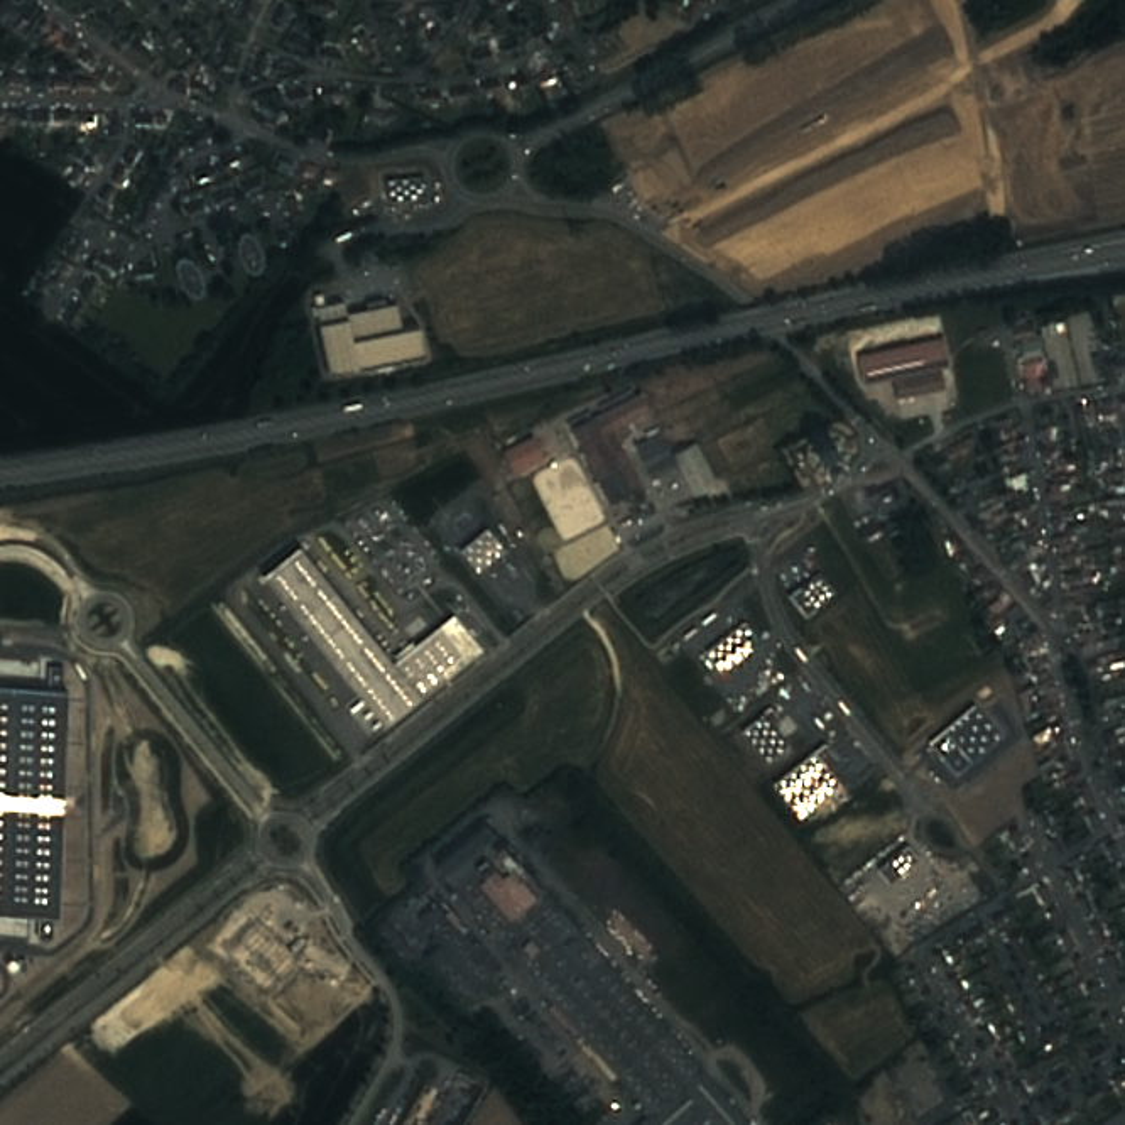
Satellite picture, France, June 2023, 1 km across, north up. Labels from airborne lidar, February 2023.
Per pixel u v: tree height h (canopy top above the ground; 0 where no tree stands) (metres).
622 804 0
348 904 0
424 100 0
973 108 0
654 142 0
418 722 0
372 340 0
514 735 0
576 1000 0
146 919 0
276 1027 0
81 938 0
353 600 0
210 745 0
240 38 0
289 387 0
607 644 0
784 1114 0
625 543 0
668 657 0
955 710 0
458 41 0
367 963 0
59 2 0
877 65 0
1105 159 0
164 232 0
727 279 0
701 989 0
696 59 0
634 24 0
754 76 0
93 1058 0
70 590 0
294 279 0
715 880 0
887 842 0
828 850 0
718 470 0
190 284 0
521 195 0
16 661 0
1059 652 0
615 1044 0
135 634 0
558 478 0
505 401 0
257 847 0
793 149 0
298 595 0
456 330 0
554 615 0
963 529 0
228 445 0
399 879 0
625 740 0
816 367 0
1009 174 0
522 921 0
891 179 0
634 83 0
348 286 0
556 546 0
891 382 0
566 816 0
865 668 0
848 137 0
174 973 0
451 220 0
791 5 0
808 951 0
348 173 0
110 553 0
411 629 0
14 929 0
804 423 0
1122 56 0
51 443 0
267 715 0
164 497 0
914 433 0
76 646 0
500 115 12
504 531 0
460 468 0
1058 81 0
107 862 0
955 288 0
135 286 8
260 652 0
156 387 8
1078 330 0
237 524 0
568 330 0
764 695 0
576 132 0
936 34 0
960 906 0
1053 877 0
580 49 0
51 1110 0
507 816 0
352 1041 0
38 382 0
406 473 0
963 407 0
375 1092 0
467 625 0
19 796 0
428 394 0
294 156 0
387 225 0
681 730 0
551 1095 7
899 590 0
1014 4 0
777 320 0
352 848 0
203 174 0
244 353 0
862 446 0
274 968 0
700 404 0
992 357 0
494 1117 0
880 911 0
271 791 0
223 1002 0
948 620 0
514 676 0
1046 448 0
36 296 10
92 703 0
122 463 0
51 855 0
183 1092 0
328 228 14
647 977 0
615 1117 0
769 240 0
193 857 0
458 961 0
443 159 0
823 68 0
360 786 0
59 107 0
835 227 0
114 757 0
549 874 0
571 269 0
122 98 0
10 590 0
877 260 0
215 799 0
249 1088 0
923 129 0
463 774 0
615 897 0
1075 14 0
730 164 0
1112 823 0
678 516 0
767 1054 0
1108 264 0
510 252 0
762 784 0
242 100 0
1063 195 0
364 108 6
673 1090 0
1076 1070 0
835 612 0
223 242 10
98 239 0
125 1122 0
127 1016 0
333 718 0
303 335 12
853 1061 0
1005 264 0
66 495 0
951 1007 0
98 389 0
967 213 0
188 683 0
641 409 0
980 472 15
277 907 0
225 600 0
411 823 0
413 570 0
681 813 0
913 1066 0
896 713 0
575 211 0
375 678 0
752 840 0
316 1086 0
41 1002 0
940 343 0
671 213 0
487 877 0
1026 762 0
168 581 0
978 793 0
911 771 0
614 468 0
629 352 0
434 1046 0
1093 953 0
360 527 0
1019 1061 0
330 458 0
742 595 0
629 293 0
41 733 0
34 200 0
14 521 0
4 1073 0
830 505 0
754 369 0
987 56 11
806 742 0
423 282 0
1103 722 0
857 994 0
